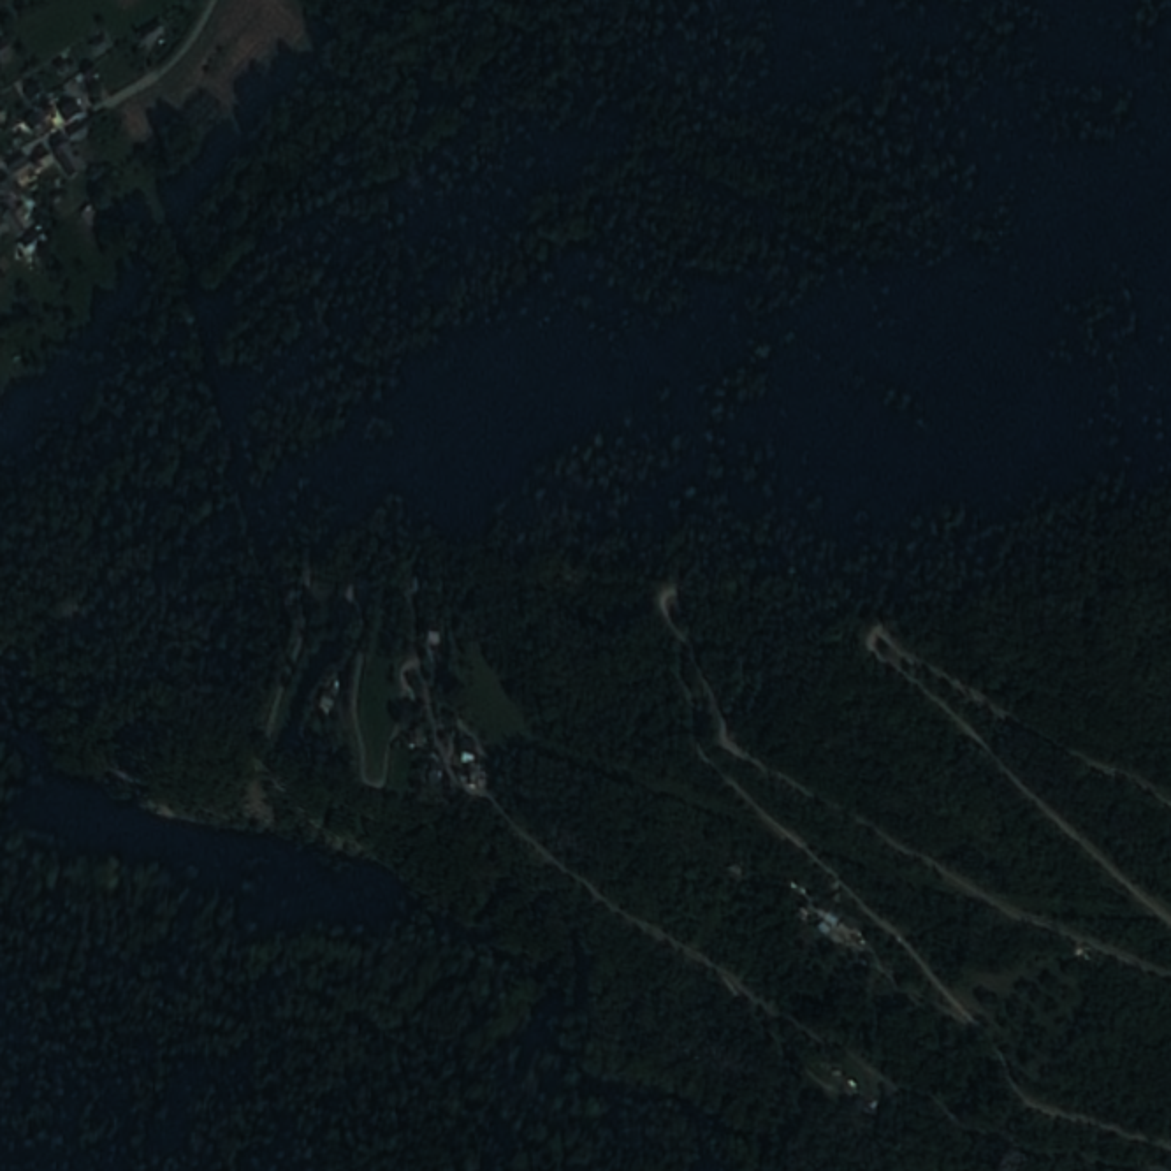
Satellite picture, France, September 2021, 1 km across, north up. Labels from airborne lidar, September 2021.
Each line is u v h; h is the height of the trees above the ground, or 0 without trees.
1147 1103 14
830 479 30
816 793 18
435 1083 21
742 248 24
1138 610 10
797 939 7
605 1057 21
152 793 16
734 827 16
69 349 9
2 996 23
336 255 16
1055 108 24
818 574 24
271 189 20
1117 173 31
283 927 25
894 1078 19
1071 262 22
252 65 0
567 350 25
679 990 17
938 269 28
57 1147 31
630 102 25
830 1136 23
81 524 28
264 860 30
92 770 20
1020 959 20
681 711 19
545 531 24
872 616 16
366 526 24
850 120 23
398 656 15
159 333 31
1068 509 31
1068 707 19
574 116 24
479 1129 15
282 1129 16
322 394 22
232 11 0
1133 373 22
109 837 36
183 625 31
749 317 27
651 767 15
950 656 20
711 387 23
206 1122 21
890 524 30
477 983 21
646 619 18
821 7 23
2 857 25
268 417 29
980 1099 22
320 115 30
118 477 25
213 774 24
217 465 21
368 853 15
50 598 14
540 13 23
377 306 29
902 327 23
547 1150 31
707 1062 26
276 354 25
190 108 7
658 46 19
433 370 28
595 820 21
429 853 30
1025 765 21
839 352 11
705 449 29
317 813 19
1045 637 23
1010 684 17
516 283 28
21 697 40
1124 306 26
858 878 17
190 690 24
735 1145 30
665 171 28
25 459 23
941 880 17
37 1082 26
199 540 23
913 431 27
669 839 13
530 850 11
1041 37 23
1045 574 21
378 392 24
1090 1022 17
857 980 12
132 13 0
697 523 27
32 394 8
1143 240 27
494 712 0
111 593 16
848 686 15
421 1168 26
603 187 23
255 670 25
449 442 25
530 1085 29
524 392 27
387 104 22
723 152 23
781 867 9
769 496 26
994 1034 20
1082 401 30
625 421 33
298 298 10
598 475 22
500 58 22
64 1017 14
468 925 35
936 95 25
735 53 35
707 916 16
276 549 17
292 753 11
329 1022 22
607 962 19
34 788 39
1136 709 19
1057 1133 17
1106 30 23
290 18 0
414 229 23
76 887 58
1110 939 14
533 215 26
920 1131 21
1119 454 33
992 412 22
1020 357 23
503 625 20
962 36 22
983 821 17
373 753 0
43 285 0
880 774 34
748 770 17
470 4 10
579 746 21
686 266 32
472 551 16
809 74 32
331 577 11
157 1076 27
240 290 21
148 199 0
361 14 9
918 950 20
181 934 25
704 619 20
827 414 12
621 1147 23
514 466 16
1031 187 32
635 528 22
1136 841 16
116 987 33
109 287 0
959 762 20
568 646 18
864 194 21
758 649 20
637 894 9
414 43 19
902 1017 23
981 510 22
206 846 27
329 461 8
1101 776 11
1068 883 13
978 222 31
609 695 16
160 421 24
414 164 23
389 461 11
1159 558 25
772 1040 17
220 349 34
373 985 23
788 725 22
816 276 25
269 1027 17
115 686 22
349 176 10
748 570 29
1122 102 35
